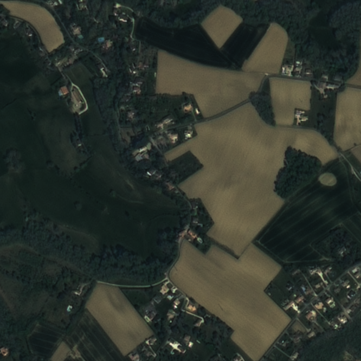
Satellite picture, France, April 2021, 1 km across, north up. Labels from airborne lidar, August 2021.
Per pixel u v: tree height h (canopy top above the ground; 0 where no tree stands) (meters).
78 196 0
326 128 15
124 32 10
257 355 0
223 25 0
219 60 0
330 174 0
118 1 13
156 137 15
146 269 24
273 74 0
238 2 19
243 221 0
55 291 13
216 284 0
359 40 15
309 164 27
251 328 0
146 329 0
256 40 0
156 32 0
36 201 0
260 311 0
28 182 0
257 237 0
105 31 12
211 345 11
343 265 15
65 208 0
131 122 11
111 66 22
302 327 0
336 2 0
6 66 0
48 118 0
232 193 0
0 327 18
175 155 0
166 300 0
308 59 11
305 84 0
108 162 0
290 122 0
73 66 9
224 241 0
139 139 9
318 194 0
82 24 11
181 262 0
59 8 11
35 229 14
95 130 0
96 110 0
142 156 0
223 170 0
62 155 0
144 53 16
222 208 0
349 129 0
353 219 0
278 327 0
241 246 0
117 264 16
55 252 17
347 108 0
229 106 0
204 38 0
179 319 11
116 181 0
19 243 13
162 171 10
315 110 0
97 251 0
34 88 0
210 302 0
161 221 0
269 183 0
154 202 0
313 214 0
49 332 0
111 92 19
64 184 0
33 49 0
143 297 0
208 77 0
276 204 0
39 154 0
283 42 0
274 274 0
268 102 20
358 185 0
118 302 0
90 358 0
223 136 0
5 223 0
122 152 11
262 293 0
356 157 0
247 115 0
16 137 0
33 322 13
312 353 22
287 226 0
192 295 0
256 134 0
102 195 0
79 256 20
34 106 0
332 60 15
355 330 20
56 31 0
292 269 8
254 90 0
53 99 0
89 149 17
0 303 19
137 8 14
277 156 0
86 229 0
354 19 21
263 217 0
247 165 0
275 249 0
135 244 0
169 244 20
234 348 0
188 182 0
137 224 0
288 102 0
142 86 8
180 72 0
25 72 0
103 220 0
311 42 19
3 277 0
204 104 0
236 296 0
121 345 0
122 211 0
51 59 14
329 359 28
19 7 0
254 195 0
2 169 0
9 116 0
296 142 0
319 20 0
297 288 0
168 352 12
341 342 21
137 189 0
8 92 0
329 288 0
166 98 7
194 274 0
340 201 0
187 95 9
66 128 0
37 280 17
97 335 0
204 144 0
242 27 0
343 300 0
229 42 0
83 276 5
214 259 0
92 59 13
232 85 0
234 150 0
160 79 0
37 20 0
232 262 0
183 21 13
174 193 7
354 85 0
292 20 24
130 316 0
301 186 21
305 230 0
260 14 23
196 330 9
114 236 0
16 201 0
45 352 0
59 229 19
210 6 16
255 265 0
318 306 0
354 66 17
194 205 0
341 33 18
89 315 0
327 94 11
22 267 6
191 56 0
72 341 0
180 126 0
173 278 0
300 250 0
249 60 0
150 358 6
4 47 0
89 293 12
